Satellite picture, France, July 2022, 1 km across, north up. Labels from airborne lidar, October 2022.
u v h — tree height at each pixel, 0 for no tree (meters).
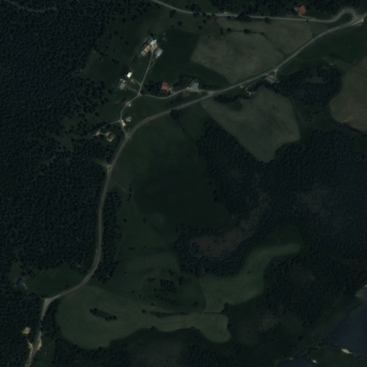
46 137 19
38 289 0
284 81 12
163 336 0
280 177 12
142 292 0
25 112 25
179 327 0
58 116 24
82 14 27
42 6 28
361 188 8
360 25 0
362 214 7
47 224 17
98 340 0
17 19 7
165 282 15
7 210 24
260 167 10
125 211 0
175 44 0
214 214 0
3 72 23
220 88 0
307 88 7
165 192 0
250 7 14
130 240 0
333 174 8
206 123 12
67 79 25
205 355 13
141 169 0
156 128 0
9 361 15
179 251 9
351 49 0
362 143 0
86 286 0
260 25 0
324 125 0
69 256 16
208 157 7
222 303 0
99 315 11
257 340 0
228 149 10
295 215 9
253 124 0
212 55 0
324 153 12
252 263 0
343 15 0
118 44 0
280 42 0
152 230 0
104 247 16
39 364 0
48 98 22
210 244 0
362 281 15
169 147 0
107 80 0
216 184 0
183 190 0
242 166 8
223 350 0
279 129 0
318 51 0
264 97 0
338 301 0
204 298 0
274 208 8
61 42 18
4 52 20
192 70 0
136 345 0
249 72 0
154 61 0
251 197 7
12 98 23
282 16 0
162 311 0
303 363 0
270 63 0
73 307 0
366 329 0
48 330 22
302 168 11
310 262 0
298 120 0
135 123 0
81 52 20
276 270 8
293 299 5
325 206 6
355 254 14
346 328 0
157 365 0
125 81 0
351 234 6
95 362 7
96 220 14
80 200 24
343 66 0
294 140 0
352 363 0
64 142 0
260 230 9
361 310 0
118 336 0
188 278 0
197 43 0
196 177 0
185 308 0
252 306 0
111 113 0
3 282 21
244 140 0
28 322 18
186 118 0
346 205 7
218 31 0
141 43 0
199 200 0
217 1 15
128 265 0
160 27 0
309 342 0
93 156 24
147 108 0
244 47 0
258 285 0
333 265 20
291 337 0
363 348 0
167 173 0
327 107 0
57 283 0
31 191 25
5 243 28
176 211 0
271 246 0
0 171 22
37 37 25
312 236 10
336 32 0
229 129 0
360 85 0
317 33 0
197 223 0
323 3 19
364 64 0
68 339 0
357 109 0
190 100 0
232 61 0
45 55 12
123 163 0
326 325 0
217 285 0
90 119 0
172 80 0
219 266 12
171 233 0
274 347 0
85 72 0
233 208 11
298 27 0
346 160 10
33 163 24
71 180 27
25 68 18
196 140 0
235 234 0
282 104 0
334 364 0
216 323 0
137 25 0
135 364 0
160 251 0
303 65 0
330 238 8
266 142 0
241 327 0
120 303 0
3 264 25
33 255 13
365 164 8
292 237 0
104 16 16
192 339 0
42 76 15
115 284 0
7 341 15
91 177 18
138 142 0
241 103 0
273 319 0
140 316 0
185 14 0
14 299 11
